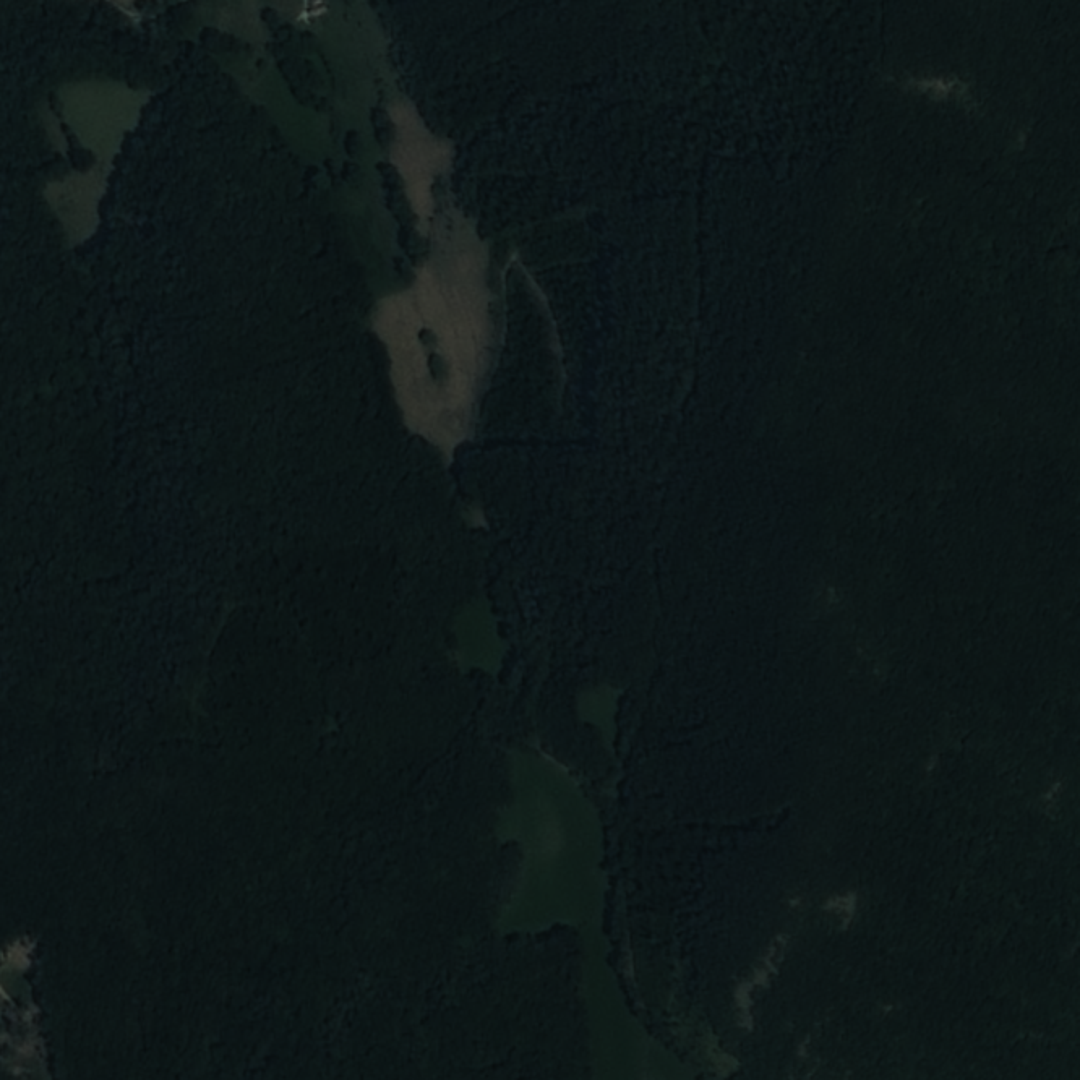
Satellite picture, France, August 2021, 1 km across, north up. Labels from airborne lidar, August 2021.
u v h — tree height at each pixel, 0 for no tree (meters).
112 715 24
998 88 12
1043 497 15
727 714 23
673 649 19
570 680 10
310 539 21
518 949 24
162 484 26
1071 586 19
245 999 24
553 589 28
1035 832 21
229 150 23
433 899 15
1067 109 20
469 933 23
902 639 16
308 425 25
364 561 8
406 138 0
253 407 21
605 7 13
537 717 9
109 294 19
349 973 25
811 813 15
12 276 19
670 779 21
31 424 30
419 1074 22
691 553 22
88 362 30
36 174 21
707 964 16
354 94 0
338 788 13
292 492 25
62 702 29
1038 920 17
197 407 17
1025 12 17
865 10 11
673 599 15
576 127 26
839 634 11
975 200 23
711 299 25
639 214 23
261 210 23
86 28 21
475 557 24
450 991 29
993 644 19
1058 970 15
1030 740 13
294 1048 25
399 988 26
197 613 18
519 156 26
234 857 20
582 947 17
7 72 20
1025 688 24
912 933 7
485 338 0
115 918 22
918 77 9
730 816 21
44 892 20
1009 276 20
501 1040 14
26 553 25
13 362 20
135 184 20
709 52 26
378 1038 22
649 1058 0
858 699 16
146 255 23
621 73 26
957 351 17
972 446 22
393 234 0
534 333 7
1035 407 22
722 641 22
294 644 11
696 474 21
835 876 10
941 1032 13
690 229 27
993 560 20
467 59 18
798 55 14
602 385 24
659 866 13
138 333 15
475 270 0
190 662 22
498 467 16
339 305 22
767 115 22
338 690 17
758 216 24
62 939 23
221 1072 25
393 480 23
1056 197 19
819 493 18
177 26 18
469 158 13
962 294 27
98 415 27
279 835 21
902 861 17
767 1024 11
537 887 0
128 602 28
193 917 25
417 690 15
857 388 14
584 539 25
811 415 19
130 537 30
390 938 22
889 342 19
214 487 20
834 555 12
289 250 26
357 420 20
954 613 16
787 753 20
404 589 18
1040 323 19
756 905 9
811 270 20
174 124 23
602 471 24
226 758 14
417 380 0
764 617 15
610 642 18
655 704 15
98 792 22
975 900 22
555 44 20
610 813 15
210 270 17
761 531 24
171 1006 25
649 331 28
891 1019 8
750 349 17
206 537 23
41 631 26
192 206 15
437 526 24
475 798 19
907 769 9
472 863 17
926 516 24
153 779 20
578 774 9
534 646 24
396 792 21
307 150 0
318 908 25
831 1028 7
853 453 20
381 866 17
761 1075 12
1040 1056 14
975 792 17
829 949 10
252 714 7
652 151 12
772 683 16
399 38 10
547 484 23
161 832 25
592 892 0
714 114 13
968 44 13
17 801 23
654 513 26
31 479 24
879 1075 9
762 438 19
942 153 20
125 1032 26
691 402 23
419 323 0
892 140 19
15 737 22
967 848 24
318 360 22
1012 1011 18
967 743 17
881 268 19
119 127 0
